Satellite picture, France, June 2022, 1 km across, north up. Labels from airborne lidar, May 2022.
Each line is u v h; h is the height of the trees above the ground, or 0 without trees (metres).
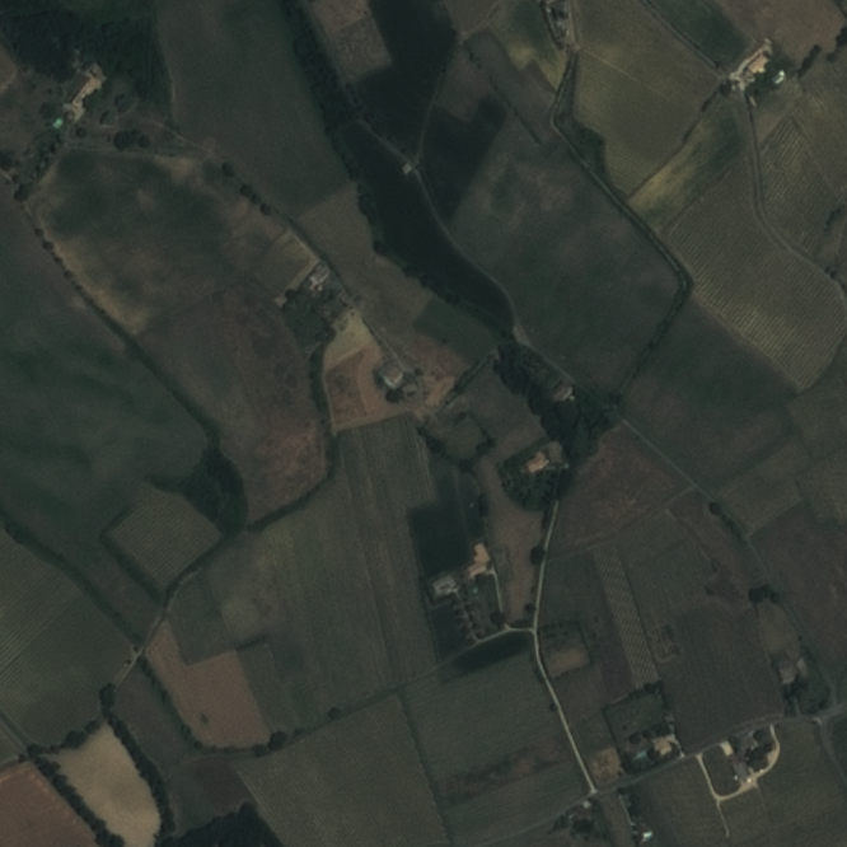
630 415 0
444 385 0
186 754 0
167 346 0
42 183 0
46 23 21
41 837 0
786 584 0
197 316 0
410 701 0
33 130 0
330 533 0
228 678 0
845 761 0
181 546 0
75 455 0
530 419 0
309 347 0
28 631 0
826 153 0
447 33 0
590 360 0
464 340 0
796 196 0
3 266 0
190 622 0
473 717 0
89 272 0
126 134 12
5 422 0
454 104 0
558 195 0
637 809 9
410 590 0
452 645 0
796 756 0
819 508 0
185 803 0
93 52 15
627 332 0
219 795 0
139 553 0
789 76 0
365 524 0
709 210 0
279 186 0
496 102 0
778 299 0
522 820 0
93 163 0
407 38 0
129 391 0
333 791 0
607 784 0
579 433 16
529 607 12
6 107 0
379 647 0
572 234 0
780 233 0
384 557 0
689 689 0
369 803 0
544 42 0
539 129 0
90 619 0
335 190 0
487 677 0
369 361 0
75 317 0
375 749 0
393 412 0
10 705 0
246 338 0
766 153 0
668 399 0
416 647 0
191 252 0
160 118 0
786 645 0
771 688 0
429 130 0
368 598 0
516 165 0
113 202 0
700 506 0
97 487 0
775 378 0
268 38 0
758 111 0
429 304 0
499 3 0
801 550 0
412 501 0
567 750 0
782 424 0
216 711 0
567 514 0
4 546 0
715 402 0
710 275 0
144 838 0
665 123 0
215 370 0
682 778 0
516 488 7
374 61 0
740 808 0
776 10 0
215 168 0
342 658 0
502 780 0
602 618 0
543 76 0
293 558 0
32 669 0
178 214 0
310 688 0
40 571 0
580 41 0
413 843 0
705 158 0
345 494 0
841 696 0
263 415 0
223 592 0
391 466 0
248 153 0
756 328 0
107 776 0
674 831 0
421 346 0
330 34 0
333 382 0
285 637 0
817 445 0
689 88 0
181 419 0
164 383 0
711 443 0
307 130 0
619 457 0
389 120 0
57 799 0
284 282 0
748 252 0
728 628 0
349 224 0
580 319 0
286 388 0
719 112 0
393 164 0
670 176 0
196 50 0
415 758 0
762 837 0
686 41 0
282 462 0
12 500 0
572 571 0
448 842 0
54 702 0
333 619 0
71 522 0
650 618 0
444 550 0
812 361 0
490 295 0
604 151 0
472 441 0
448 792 0
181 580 6
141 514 0
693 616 0
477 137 0
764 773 0
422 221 0
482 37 0
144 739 0
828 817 0
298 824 0
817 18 0
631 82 0
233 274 0
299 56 9
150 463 0
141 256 0
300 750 0
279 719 0
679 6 0
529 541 0
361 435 0
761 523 0
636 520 0
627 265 0
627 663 0
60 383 0
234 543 0
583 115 0
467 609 9
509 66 0
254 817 16
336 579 0
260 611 0
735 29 0
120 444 0
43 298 0
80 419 0
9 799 0
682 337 0
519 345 9
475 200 0
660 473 0
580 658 0
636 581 0
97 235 0
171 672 0
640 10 0
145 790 0
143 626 0
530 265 0
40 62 14
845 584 0
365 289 0
